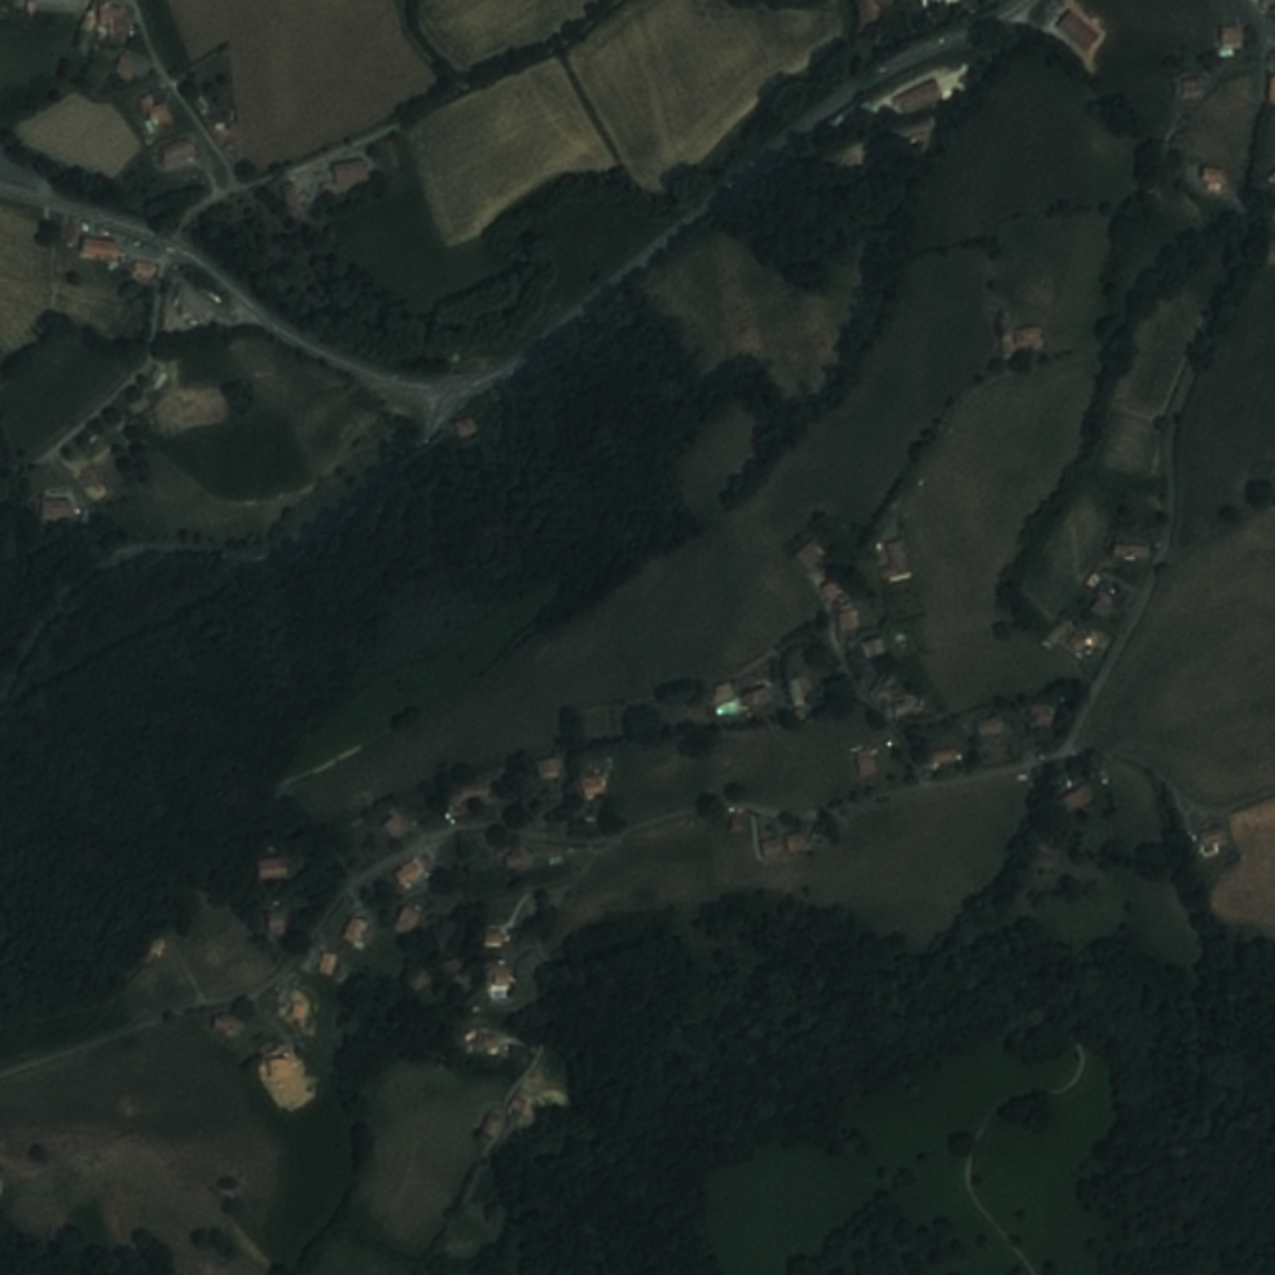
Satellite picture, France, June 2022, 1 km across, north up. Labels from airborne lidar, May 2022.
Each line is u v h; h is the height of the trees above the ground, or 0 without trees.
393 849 6
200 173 0
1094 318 0
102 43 9
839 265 17
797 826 8
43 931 21
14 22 0
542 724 0
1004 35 26
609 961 27
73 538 14
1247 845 0
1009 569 7
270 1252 0
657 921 11
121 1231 0
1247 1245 21
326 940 0
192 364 0
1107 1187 10
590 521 21
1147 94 0
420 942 24
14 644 13
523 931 11
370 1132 18
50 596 16
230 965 0
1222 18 0
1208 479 0
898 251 18
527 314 27
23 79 0
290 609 16
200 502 0
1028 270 0
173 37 0
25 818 14
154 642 15
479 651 0
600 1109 23
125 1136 0
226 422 0
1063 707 7
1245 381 0
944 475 0
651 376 29
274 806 13
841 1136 12
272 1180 0
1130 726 0
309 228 10
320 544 24
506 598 8
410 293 0
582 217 0
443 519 21
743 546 0
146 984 0
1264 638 0
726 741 0
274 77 0
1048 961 19
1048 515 13
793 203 24
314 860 15
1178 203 0
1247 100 0
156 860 13
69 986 18
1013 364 14
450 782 9
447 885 22
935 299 0
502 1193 9
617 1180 20
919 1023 29
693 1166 12
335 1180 0
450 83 17
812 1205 0
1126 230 20
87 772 11
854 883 0
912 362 0
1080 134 0
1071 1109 0
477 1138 11
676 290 0
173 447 0
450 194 0
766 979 25
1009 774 0
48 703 13
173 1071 0
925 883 0
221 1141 0
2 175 0
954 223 0
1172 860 18
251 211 7
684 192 29
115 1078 0
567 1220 21
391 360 19
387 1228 0
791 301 0
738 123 0
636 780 0
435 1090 0
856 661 12
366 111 0
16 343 0
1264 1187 24
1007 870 9
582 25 11
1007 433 0
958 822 0
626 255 0
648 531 11
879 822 0
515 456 18
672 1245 15
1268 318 0
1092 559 0
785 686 7
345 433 0
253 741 20
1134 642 0
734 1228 0
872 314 23
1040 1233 0
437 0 0
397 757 0
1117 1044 23
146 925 13
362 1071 18
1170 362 0
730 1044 23
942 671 0
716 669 0
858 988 22
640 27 0
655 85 0
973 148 0
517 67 17
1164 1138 24
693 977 23
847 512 0
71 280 13
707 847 0
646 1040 23
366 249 0
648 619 0
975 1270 0
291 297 7
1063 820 14
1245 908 0
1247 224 16
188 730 20
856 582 17
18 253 0
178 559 16
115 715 13
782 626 0
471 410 6
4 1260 19
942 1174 0
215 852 13
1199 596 0
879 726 10
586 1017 24
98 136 0
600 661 0
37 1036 0
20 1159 0
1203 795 0
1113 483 0
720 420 16
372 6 0
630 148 0
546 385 24
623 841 0
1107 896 0
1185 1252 14
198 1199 0
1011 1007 11
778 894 0
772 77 0
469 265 0
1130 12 0
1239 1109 20
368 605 11
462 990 10
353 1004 15
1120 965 24
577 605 13
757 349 0
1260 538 0
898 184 24
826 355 0
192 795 14
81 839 16
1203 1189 12
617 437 10
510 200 0
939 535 0
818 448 0
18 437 0
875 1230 14
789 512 0
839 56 27
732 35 0
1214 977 16
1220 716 0
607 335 22
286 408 0
